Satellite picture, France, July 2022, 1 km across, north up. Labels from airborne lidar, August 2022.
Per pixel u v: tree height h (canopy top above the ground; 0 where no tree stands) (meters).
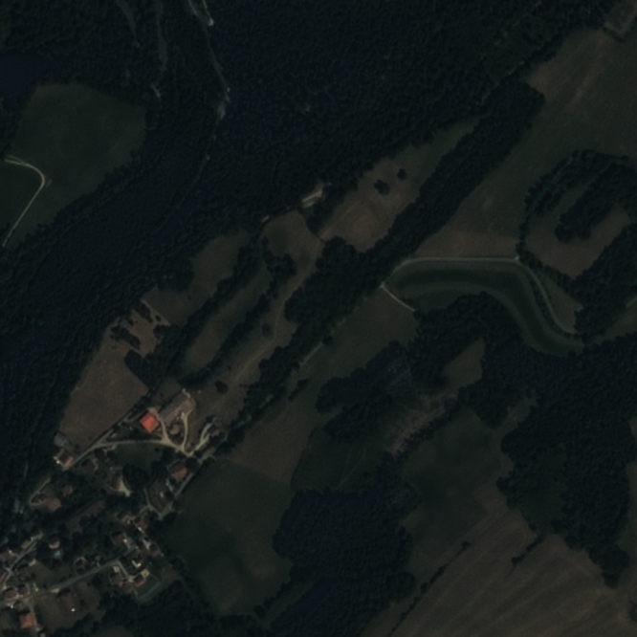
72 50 27
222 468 0
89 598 0
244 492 0
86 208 16
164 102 17
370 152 16
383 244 18
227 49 32
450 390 0
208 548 0
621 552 15
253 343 0
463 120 19
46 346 26
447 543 0
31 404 24
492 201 0
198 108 19
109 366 0
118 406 0
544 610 0
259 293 0
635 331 0
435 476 0
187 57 10
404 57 13
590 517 22
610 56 0
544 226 0
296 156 9
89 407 0
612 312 15
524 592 0
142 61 28
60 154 0
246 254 17
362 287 22
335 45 33
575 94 0
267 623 0
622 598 0
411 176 0
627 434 10
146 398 12
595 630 0
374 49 33
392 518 14
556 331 12
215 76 14
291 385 0
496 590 0
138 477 21
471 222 0
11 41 16
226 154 6
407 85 19
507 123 25
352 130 13
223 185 12
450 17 13
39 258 17
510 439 14
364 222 0
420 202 14
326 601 29
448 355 16
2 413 19
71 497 6
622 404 14
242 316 0
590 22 26
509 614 0
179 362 16
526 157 0
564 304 0
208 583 0
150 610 6
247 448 0
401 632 0
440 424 17
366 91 14
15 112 12
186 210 20
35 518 19
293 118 12
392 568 25
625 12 0
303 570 25
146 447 0
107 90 25
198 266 0
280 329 0
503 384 26
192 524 0
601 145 0
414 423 0
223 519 0
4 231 8
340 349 0
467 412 0
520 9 10
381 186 17
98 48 30
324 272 11
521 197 0
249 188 7
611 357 22
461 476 0
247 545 0
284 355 17
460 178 22
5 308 21
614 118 0
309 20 29
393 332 0
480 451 0
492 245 0
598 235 0
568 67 0
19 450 21
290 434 0
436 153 0
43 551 21
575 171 9
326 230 0
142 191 21
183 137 16
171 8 13
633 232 20
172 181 19
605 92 0
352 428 23
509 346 31
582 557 0
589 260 0
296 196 17
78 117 0
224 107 0
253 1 29
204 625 22
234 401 0
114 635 0
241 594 0
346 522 23
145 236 11
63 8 41
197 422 0
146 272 19
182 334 16
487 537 0
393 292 0
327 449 0
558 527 22
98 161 0
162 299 0
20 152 0
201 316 19
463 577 0
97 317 27
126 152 0
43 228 9
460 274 0
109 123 0
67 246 19
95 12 26
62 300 18
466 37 10
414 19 31
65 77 22
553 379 32
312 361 0
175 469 0
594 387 21
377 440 0
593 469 11
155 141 22
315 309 14
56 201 0
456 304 9
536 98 20
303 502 25
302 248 0
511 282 0
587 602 0
